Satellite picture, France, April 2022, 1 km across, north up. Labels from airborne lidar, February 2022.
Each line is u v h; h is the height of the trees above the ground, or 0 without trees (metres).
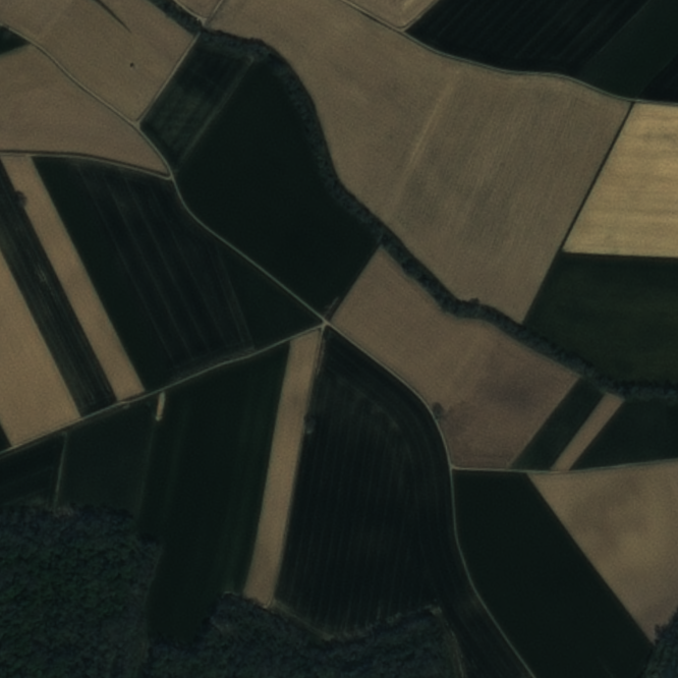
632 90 0
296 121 0
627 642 0
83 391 0
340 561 0
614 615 0
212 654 34
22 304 0
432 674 36
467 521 0
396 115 0
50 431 0
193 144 0
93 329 0
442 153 0
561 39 0
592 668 0
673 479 0
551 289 0
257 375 0
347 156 0
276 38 0
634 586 0
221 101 0
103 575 29
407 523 0
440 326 0
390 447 0
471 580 0
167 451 0
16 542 27
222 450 0
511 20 0
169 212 0
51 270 0
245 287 0
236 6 0
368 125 0
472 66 0
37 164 0
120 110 0
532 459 0
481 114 0
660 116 0
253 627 30
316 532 0
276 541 0
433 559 0
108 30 0
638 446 0
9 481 0
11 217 0
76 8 0
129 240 0
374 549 0
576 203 0
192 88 0
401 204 0
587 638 0
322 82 0
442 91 0
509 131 0
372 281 0
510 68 0
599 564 0
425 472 0
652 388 14
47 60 0
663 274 0
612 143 0
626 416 0
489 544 0
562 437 0
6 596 27
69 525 30
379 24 0
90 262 0
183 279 0
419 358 0
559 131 0
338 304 0
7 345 0
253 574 0
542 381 0
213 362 0
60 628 24
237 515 0
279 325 0
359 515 0
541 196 0
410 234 0
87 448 0
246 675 29
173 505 0
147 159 0
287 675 31
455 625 0
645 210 0
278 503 0
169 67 0
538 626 0
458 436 0
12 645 27
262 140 0
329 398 0
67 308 0
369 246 0
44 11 0
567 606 0
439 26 0
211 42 14
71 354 0
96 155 0
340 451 0
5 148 0
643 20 0
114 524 24
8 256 0
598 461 0
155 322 0
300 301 0
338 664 29
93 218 0
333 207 0
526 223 0
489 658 0
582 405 0
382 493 0
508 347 0
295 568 0
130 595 25
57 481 0
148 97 0
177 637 0
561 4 0
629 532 0
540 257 0
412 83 0
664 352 0
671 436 0
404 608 0
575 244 0
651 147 0
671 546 0
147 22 0
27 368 0
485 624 0
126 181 0
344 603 0
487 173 0
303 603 0
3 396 0
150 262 0
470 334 0
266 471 0
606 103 0
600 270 0
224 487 0
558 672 0
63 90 0
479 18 0
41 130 0
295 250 0
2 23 0
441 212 0
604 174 0
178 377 0
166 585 0
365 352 0
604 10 0
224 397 0
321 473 0
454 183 0
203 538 0
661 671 8
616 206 0
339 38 0
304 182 0
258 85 0
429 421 0
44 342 0
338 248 0
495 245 0
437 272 0
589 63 0
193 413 0
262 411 0
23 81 0
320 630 0
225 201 0
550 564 0
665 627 0
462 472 0
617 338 0
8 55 0
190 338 0
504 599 0
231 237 0
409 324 0
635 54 0
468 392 0
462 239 0
